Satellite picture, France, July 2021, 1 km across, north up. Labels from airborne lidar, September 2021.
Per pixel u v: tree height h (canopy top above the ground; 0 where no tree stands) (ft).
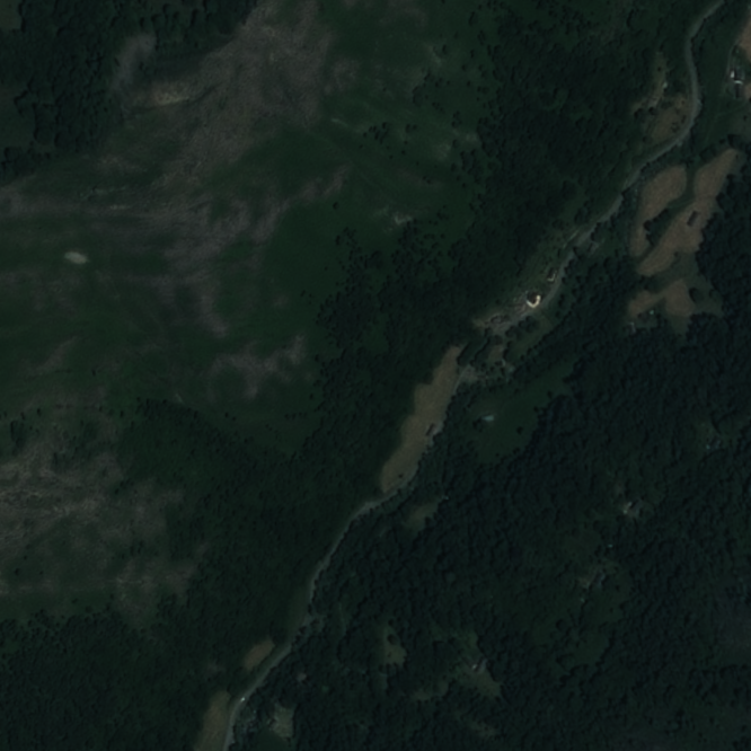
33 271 0
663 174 0
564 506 80
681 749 0
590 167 28
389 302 73
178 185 0
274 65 0
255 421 0
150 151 0
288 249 0
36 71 70
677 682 70
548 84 56
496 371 40
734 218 68
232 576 38
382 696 31
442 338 25
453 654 71
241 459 46
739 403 67
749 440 61
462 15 0
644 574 26
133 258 0
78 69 66
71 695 60
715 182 0
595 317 60
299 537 58
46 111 63
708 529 48
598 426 81
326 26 0
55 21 60
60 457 56
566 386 0
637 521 33
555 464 89
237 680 45
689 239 0
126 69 0
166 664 41
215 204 0
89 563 0
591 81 66
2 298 0
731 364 71
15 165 58
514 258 26
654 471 40
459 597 32
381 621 57
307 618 0
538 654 74
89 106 63
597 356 67
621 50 84
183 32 52
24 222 0
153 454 37
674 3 38
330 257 0
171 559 23
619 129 35
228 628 80
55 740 74
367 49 0
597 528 32
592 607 38
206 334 0
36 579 0
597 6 0
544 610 32
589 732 33
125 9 71
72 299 0
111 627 47
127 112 0
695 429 66
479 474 49
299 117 0
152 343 0
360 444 46
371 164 0
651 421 77
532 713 69
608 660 52
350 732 67
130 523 0
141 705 65
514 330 39
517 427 0
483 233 41
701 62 41
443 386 0
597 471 58
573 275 38
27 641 59
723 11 52
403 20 0
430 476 51
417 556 73
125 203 0
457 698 69
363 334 51
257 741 63
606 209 47
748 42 0
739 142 67
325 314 45
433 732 33
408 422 0
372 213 0
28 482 0
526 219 69
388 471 0
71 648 51
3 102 0
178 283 0
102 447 23
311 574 35
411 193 0
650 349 57
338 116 0
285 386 0
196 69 0
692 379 85
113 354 0
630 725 40
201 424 29
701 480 37
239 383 0
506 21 29
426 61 0
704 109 32
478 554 75
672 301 0
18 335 0
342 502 35
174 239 0
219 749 0
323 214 0
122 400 0
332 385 52
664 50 48
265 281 0
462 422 24
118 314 0
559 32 68
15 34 51
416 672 64
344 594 59
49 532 0
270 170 0
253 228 0
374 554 73
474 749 95
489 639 61
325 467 53
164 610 36
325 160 0
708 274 70
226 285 0
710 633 24
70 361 0
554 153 55
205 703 40
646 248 0
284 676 58
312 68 0
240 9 51
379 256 54
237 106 0
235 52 0
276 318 0
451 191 0
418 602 76
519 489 67
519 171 74
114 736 63
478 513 76
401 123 0
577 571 40
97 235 0
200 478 27
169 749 82
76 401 0
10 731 73
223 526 30
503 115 39
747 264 76
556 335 63
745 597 27
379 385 61
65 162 0
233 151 0
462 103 0
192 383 0
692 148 34
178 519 37
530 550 73
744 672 59
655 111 54
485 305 37
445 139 0
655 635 53
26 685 58
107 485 0
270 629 36
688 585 74
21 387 0
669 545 65
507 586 32
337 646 24
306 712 94
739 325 82
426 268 59
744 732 20
